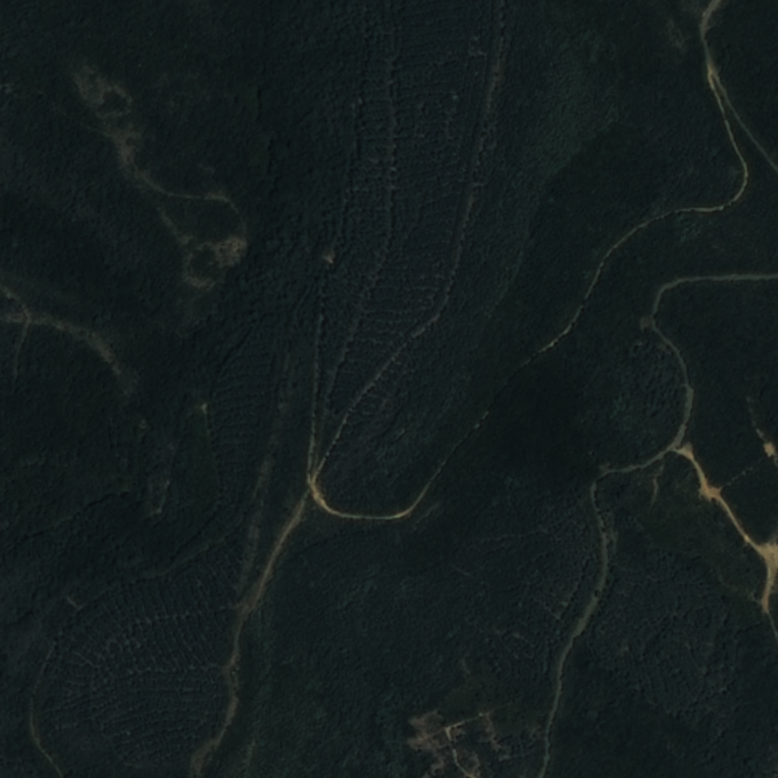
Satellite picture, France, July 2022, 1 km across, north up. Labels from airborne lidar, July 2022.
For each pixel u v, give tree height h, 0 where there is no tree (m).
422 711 10
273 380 15
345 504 11
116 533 15
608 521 18
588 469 21
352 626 15
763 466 9
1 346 6
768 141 12
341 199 11
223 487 9
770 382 9
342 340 15
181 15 12
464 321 12
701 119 14
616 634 18
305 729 7
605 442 11
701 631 17
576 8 9
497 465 11
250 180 15
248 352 14
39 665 6
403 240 15
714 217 7
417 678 13
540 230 12
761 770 6
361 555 13
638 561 9
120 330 6
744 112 10
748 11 11
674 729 9
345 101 6
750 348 11
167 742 12
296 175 8
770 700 9
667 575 18
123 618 11
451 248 10
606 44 9
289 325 10
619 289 13
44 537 15
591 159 6
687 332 10
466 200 10
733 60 13
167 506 7
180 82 6
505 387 10
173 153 8
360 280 16
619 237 10
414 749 7
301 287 6
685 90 12
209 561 8
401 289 9
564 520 13
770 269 6
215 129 7
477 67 10
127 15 10
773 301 6
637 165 6
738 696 20
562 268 13
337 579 12
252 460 7
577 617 14
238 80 18
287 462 6
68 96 7
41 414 11
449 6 13
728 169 8
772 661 8
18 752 6
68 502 7
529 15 12
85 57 7
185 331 8
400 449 14
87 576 6
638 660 10
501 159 9
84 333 7
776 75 16
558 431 23
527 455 22
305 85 10
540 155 12
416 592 10
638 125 8
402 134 15
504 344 10
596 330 9
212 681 11
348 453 9
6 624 7
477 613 12
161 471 9
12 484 14
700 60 12
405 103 16
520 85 11
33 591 7
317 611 10
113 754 9
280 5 14
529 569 13
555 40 11
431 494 7
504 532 13
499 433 16
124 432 12
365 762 14
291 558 7
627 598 15
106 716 9
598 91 12
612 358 10
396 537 10
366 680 14
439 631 11
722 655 11
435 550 7
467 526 9
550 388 18
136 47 11
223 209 8
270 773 8
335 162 11
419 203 12
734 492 11
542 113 13
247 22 17
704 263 7
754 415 10
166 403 10
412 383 12
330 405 7
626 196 11
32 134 7
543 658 13
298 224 6
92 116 7
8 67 7
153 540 10
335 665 13
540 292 13
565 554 14
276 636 10
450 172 11
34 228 11
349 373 11
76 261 15
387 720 18
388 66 16
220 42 14
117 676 7
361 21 11
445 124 10
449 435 7
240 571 7
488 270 13
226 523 9
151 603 11
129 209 8
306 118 14
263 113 15
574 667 15
